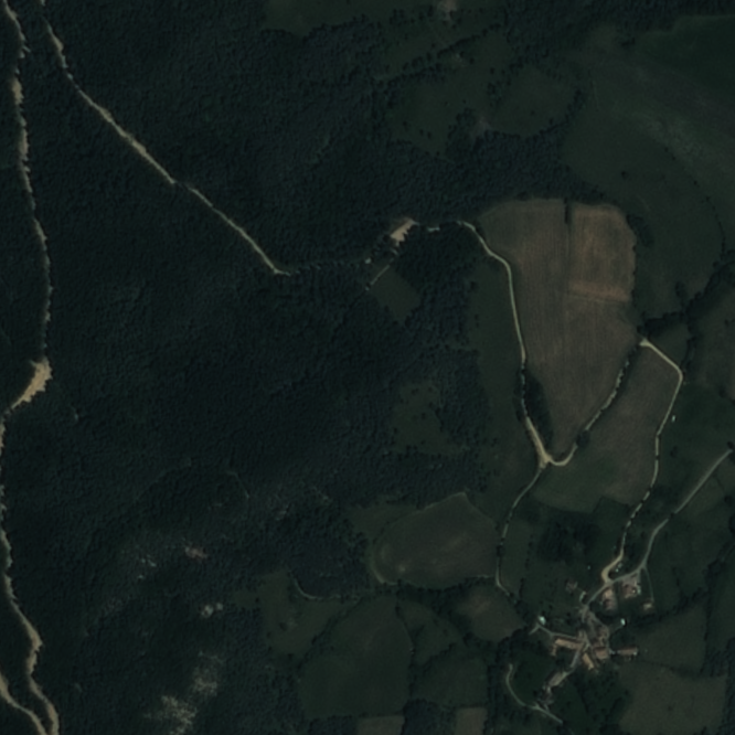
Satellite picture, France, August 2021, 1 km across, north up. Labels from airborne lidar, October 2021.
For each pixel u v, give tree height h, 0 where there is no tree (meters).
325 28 9
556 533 8
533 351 0
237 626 13
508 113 0
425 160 16
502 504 0
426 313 16
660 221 0
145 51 20
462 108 0
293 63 26
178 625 11
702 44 0
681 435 0
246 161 24
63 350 19
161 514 10
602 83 0
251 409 18
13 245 23
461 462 9
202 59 14
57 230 22
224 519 11
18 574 24
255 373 22
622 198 0
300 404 21
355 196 16
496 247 0
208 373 28
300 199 21
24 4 26
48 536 19
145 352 17
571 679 7
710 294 15
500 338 0
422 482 12
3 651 19
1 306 18
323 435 17
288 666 0
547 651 10
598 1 9
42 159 24
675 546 0
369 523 0
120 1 19
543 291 0
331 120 16
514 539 0
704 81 0
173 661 14
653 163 0
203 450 16
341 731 9
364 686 0
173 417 23
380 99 18
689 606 11
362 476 13
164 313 15
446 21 8
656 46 0
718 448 0
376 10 0
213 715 13
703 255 0
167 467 14
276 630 0
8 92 23
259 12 14
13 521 20
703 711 0
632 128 0
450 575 0
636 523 7
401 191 18
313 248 22
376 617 0
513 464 0
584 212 0
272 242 14
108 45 18
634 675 0
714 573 16
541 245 0
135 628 12
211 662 10
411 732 14
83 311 21
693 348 8
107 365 15
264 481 8
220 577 13
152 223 18
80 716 14
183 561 10
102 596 13
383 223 13
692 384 0
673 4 16
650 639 0
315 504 9
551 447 11
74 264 17
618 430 0
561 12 14
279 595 0
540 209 0
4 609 24
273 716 8
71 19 16
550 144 10
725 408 0
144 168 19
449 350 13
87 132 34
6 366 19
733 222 0
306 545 16
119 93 21
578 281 0
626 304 0
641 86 0
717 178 0
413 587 15
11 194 30
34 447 21
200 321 13
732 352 0
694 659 0
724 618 0
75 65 27
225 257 18
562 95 0
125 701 17
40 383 0
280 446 19
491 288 0
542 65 10
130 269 19
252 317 18
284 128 11
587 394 0
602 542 0
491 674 14
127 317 21
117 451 18
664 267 0
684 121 0
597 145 0
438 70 12
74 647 19
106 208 17
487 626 0
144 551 6
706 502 0
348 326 14
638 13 12
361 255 17
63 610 22
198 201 19
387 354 14
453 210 13
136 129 22
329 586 15
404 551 0
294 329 19
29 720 23
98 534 18
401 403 8
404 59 0
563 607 0
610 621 12
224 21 17
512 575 0
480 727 0
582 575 0
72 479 14
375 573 0
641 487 0
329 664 0
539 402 8
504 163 16
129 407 12
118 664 19
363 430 13
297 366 17
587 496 0
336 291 13
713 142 0
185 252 21
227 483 10
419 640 6
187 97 16
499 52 0
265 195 17
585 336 0
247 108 18
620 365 0
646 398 0
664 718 0
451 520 0
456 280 16
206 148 21
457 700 0
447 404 9
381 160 21
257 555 15
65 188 20
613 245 0
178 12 20
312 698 0
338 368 19
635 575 0
